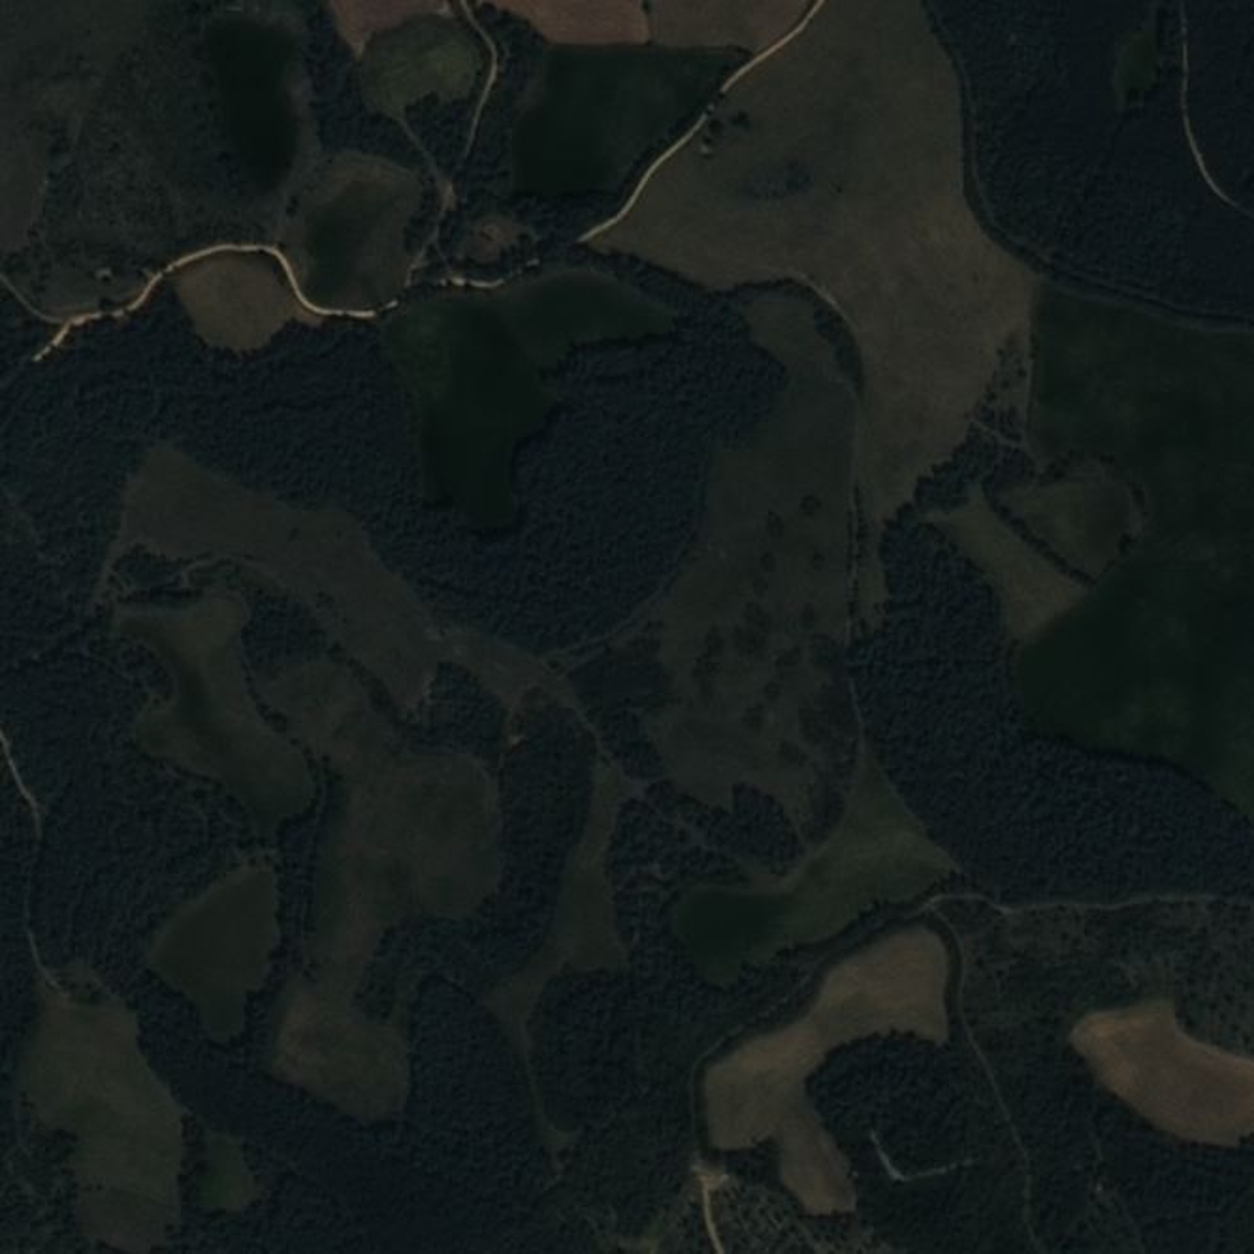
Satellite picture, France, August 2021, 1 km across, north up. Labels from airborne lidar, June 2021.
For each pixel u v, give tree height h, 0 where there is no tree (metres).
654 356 10
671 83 0
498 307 0
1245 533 0
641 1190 10
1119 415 0
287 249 10
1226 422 0
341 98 8
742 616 0
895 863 0
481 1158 10
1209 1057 0
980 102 6
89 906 11
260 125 0
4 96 0
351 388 11
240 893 0
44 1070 0
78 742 11
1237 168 11
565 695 0
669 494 12
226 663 0
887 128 0
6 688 10
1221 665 0
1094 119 13
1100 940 6
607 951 0
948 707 13
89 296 0
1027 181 10
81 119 0
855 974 0
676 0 0
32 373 9
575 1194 8
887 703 16
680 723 0
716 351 17
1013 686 9
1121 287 7
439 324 0
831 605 0
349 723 0
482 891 0
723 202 0
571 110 0
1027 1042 6
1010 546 0
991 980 9
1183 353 0
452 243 8
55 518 10
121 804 12
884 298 0
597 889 0
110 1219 0
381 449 11
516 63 12
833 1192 0
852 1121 6
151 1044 11
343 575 0
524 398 0
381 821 0
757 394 14
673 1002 8
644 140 0
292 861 8
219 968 0
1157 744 0
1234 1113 0
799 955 9
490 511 0
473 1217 15
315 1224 9
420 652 0
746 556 0
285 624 9
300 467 12
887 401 0
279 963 11
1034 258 10
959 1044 9
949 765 13
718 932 0
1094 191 11
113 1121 0
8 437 8
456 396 0
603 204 9
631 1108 9
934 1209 8
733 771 0
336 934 0
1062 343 0
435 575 13
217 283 0
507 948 12
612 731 6
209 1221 8
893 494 0
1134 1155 11
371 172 0
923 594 14
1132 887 10
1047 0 11
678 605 0
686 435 11
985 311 0
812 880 0
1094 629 0
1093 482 0
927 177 0
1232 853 10
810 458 0
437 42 0
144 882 10
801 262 0
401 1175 18
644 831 8
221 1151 0
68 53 0
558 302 0
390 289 0
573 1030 13
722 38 0
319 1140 15
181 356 16
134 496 0
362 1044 0
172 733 0
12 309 6
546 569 15
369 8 0
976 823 14
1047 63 7
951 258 0
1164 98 12
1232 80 10
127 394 13
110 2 0
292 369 12
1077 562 0
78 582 6
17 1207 10
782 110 0
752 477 0
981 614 15
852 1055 11
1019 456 8
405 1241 14
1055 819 15
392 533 14
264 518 0
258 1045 10
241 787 0
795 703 0
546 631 12
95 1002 11
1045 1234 9
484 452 0
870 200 0
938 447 0
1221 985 7
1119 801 16
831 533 0
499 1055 12
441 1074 11
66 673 14
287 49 0
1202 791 14
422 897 0
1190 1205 11
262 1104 16
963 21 6
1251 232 11
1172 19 13
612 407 16
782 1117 0
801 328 0
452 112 7
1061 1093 6
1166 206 8
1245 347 0
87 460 6
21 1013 14
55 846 12
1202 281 8
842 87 0
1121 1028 0
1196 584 0
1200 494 0
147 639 0
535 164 0
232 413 17
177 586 6
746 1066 0
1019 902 12
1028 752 17
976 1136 10
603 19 0
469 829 0
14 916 10
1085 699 0
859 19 0
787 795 0
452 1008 12
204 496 0
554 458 15
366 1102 0
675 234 0
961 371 0
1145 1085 0
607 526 14
